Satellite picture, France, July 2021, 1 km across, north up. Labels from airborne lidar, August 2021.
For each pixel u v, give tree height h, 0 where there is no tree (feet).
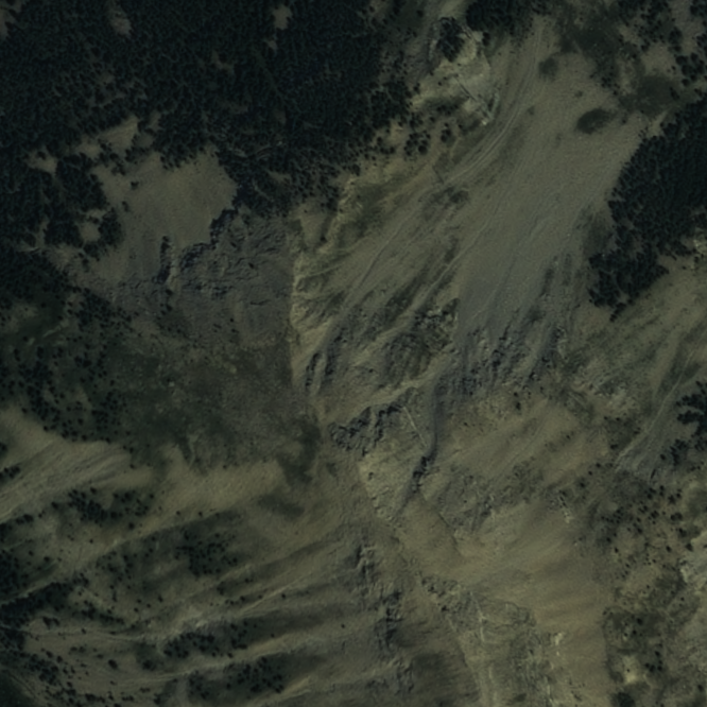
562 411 0
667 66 0
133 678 0
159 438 0
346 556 0
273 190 23
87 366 34
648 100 0
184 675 0
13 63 63
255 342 0
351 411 0
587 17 0
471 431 0
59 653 0
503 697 0
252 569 0
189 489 0
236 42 73
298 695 0
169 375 0
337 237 0
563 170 0
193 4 75
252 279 0
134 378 0
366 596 0
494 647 0
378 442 0
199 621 0
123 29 0
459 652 0
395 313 0
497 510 0
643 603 0
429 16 0
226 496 0
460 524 0
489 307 0
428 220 0
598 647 0
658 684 0
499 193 0
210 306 0
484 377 0
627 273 52
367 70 24
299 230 0
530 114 0
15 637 65
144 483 0
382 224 0
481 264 0
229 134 33
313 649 0
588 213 0
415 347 0
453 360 0
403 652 0
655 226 24
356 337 0
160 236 0
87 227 0
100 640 0
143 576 0
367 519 0
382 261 0
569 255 0
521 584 0
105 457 0
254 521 0
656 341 0
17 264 31
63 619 0
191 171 0
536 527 0
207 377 0
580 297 0
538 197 0
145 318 0
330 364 0
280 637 0
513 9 48
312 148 30
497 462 0
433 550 0
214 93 36
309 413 0
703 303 0
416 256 0
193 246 0
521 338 0
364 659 0
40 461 0
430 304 0
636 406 0
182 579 0
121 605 0
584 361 0
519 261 0
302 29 44
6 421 0
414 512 0
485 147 0
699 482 0
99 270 0
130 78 35
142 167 0
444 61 0
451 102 0
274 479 0
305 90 27
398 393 0
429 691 0
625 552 0
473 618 0
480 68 0
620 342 0
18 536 0
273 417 0
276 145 26
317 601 0
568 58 0
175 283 0
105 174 0
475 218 0
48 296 0
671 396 0
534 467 0
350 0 40
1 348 0
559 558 0
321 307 0
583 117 0
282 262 0
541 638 0
